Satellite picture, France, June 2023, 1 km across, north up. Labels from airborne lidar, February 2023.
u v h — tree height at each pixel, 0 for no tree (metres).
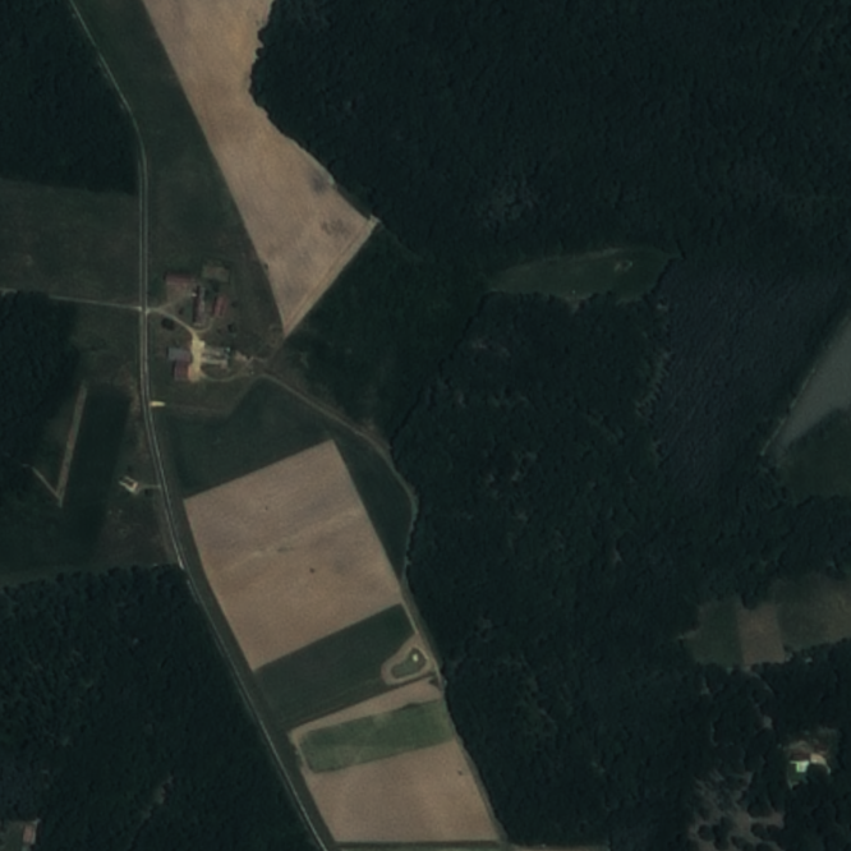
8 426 14
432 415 24
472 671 20
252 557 0
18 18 21
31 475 8
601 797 19
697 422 20
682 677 22
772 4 22
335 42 21
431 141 27
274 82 24
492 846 0
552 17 20
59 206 0
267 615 0
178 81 0
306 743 0
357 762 0
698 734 15
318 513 0
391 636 0
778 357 19
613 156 23
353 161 23
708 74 19
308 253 0
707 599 21
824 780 26
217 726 21
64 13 19
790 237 21
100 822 20
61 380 8
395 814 0
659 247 14
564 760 18
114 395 0
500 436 25
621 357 27
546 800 25
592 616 19
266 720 0
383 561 0
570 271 0
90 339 0
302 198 0
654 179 21
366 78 23
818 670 23
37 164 24
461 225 27
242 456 0
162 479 0
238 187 0
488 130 25
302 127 23
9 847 0
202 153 0
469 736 21
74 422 0
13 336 20
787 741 23
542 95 25
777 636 0
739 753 18
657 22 25
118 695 15
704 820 19
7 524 0
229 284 0
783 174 11
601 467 24
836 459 0
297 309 0
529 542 21
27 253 0
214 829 15
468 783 0
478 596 23
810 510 21
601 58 20
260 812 21
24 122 27
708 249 20
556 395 26
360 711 0
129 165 15
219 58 0
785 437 0
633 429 25
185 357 0
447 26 22
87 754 24
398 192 27
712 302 18
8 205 0
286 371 0
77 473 0
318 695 0
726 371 21
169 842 21
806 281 22
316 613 0
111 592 27
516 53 26
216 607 0
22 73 25
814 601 0
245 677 0
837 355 0
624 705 21
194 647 25
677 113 21
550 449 24
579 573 10
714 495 19
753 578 20
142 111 0
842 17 21
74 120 29
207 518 0
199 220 0
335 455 0
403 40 26
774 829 11
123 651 24
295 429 0
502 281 0
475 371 25
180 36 0
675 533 12
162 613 25
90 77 22
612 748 17
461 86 25
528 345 25
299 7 26
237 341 0
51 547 0
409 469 22
